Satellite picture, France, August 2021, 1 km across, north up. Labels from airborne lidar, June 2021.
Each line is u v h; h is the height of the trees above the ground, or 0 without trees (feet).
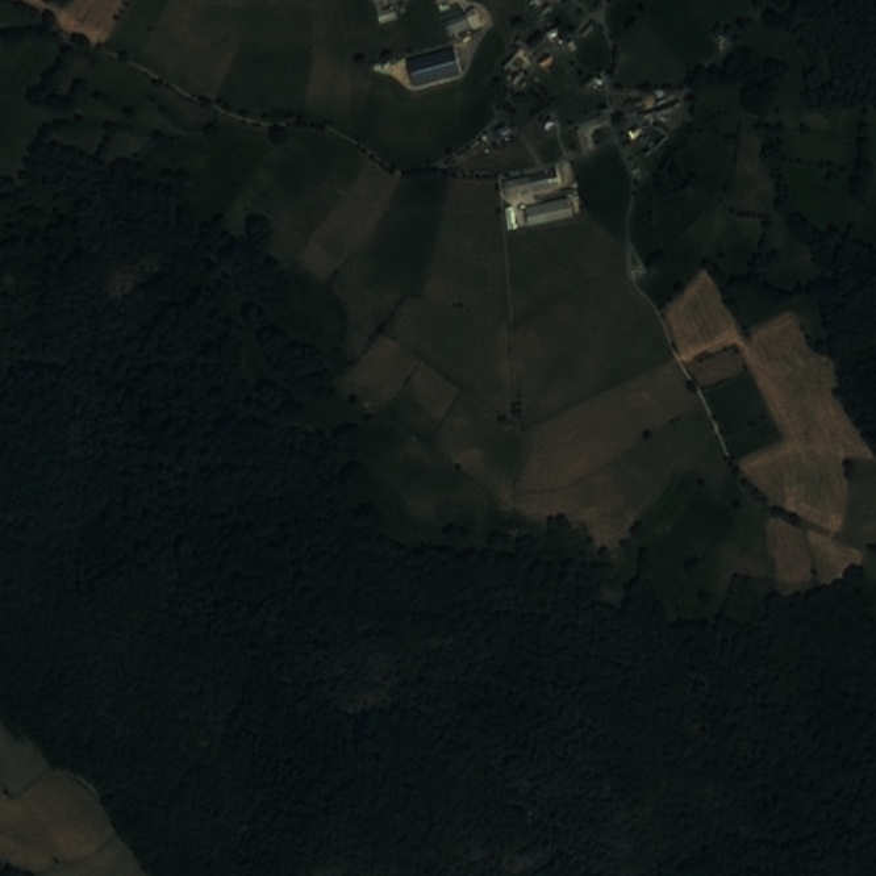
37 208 28
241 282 67
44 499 49
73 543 61
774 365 0
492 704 111
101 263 64
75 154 58
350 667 36
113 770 81
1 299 40
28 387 59
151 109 0
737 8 0
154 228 68
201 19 0
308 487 92
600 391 0
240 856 41
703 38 0
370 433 0
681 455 0
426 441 0
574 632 79
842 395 50
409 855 49
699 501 0
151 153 0
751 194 0
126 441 39
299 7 0
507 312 0
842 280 58
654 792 45
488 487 0
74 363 92
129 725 69
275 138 58
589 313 0
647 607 46
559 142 0
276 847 33
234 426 78
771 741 83
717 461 0
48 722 80
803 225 75
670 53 0
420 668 66
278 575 92
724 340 0
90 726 54
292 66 0
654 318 0
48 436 60
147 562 86
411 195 0
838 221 0
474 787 39
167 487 78
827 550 0
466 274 0
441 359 0
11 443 42
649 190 0
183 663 67
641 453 0
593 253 0
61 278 75
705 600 44
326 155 0
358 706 31
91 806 0
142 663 70
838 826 59
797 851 67
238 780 53
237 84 0
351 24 0
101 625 61
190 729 50
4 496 52
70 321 51
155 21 0
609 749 50
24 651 61
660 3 0
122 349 95
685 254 0
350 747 52
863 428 55
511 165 0
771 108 52
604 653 44
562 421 0
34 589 51
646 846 51
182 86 0
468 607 56
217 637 77
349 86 0
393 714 91
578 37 0
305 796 42
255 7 0
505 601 34
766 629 61
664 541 0
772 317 0
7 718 61
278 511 79
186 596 71
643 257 0
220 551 86
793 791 92
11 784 0
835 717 95
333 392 42
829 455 0
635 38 0
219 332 40
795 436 0
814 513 0
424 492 0
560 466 0
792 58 0
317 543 81
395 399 0
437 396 0
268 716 48
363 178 0
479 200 0
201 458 62
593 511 0
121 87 0
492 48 0
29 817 0
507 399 0
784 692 77
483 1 0
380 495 0
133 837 64
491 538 36
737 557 0
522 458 0
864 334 68
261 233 56
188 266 109
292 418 63
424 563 55
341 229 0
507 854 22
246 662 64
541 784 56
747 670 57
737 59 53
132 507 35
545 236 0
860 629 87
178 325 85
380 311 0
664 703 61
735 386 0
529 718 72
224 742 61
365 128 0
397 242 0
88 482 68
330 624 61
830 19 80
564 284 0
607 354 0
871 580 0
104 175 51
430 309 0
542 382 0
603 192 0
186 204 80
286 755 37
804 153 0
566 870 50
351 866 29
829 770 83
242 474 96
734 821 73
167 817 65
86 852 0
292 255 0
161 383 74
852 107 66
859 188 62
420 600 59
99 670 56
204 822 68
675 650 73
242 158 0
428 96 0
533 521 0
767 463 0
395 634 40
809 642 90
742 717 45
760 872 60
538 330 0
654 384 0
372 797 51
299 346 35
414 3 0
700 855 80
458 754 54
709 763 78
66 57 49
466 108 0
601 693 49
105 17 0
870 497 0
